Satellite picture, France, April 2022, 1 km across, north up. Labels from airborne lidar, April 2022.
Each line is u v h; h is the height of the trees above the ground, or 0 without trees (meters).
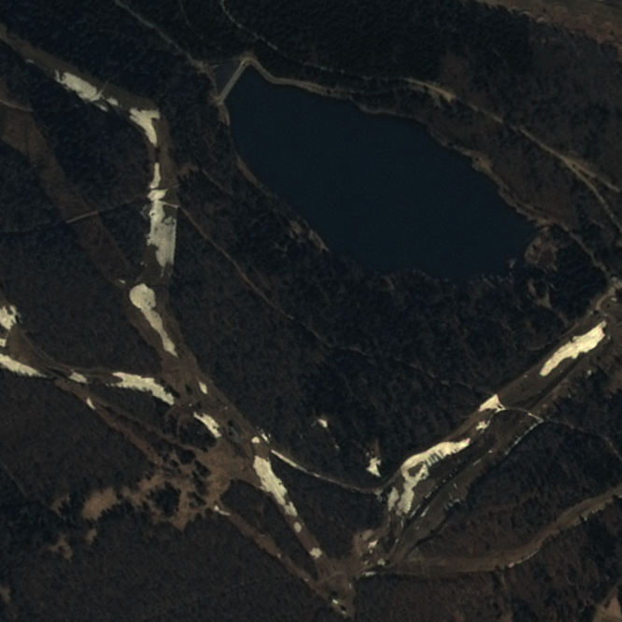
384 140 0
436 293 21
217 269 22
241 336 24
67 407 13
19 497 19
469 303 24
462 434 0
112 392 12
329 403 20
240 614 15
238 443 0
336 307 18
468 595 30
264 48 22
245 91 0
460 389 12
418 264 0
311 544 0
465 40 16
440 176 0
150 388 0
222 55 13
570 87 13
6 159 26
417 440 23
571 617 17
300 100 0
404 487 0
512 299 20
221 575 14
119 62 26
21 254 18
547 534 0
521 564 13
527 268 11
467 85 23
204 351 17
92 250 0
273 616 16
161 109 19
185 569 17
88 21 30
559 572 14
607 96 19
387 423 15
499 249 0
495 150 27
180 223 6
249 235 19
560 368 0
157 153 0
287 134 0
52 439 16
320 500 15
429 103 14
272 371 24
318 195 0
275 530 14
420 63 19
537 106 24
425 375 10
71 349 16
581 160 10
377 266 0
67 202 0
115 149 23
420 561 0
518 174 15
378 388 20
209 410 0
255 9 10
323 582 0
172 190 0
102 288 12
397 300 20
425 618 15
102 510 0
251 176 0
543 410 0
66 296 14
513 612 10
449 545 20
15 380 15
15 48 0
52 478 16
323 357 23
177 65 17
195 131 7
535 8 0
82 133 32
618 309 0
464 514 18
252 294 7
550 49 14
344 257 9
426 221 0
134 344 9
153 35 16
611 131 21
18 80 29
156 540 13
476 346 11
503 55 12
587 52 18
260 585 14
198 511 0
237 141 0
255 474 0
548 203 14
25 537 14
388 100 20
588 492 19
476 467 0
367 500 10
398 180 0
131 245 20
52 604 19
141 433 17
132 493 6
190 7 18
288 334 23
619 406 23
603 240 29
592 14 0
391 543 0
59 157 11
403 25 19
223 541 16
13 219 22
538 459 15
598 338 0
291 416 22
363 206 0
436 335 23
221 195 10
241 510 15
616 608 0
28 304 14
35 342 12
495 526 21
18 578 20
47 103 29
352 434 21
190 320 12
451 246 0
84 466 15
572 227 14
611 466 18
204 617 15
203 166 24
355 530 14
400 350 22
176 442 0
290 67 21
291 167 0
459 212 0
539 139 12
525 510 9
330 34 13
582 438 8
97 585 16
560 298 11
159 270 0
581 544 20
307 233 8
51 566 20
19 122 0
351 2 21
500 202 0
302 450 23
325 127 0
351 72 13
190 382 0
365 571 0
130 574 15
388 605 12
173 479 0
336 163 0
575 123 29
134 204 13
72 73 0
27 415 16
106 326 16
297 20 20
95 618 14
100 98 0
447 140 12
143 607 16
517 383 0
